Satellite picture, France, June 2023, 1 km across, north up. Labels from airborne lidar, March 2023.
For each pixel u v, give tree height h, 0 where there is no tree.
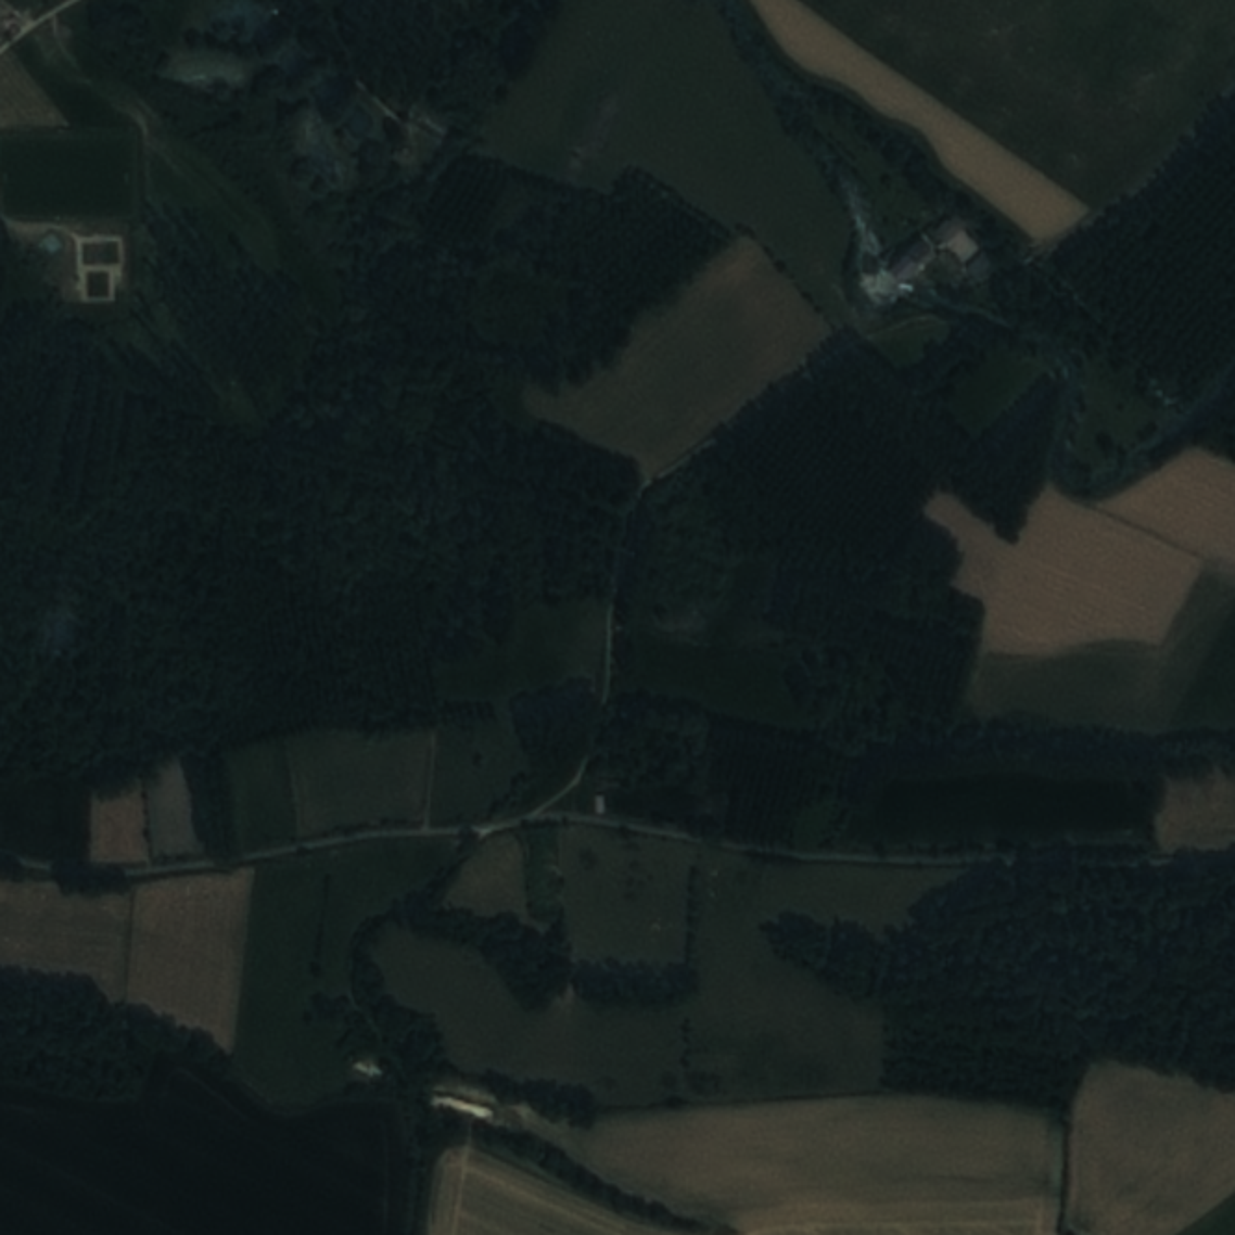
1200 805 0
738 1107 0
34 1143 0
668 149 0
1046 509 0
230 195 0
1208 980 24
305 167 12
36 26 0
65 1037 20
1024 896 31
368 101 0
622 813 0
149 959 0
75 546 11
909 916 0
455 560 8
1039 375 0
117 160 0
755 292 0
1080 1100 0
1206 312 21
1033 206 0
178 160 0
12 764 18
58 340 31
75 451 34
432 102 13
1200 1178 0
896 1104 0
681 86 0
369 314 21
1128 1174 0
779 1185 0
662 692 0
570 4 0
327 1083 0
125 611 18
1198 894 28
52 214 0
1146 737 0
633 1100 0
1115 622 0
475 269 25
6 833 0
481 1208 0
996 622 0
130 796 0
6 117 0
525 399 0
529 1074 0
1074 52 0
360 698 12
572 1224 0
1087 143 0
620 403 0
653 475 0
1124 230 20
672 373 0
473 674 0
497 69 21
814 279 0
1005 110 0
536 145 0
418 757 0
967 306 11
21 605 15
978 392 0
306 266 0
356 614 11
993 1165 0
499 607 32
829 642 7
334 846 0
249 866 0
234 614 12
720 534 6
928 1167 0
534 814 0
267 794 0
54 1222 0
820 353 0
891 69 0
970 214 12
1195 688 0
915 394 23
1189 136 0
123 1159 0
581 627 0
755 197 0
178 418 8
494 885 0
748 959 0
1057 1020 25
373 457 32
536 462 28
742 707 0
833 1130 0
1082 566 0
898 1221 0
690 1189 0
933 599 15
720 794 0
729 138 0
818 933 12
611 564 23
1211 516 0
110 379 31
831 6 0
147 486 19
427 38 36
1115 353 13
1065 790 0
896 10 0
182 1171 0
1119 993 20
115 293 0
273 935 0
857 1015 0
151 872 0
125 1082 9
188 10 0
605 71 0
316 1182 0
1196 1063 20
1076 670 0
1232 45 0
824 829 0
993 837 0
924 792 0
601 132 0
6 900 0
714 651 0
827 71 0
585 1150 0
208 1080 0
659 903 0
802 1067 0
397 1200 0
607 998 20
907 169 12
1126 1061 10
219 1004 0
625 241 13
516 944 25
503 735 0
